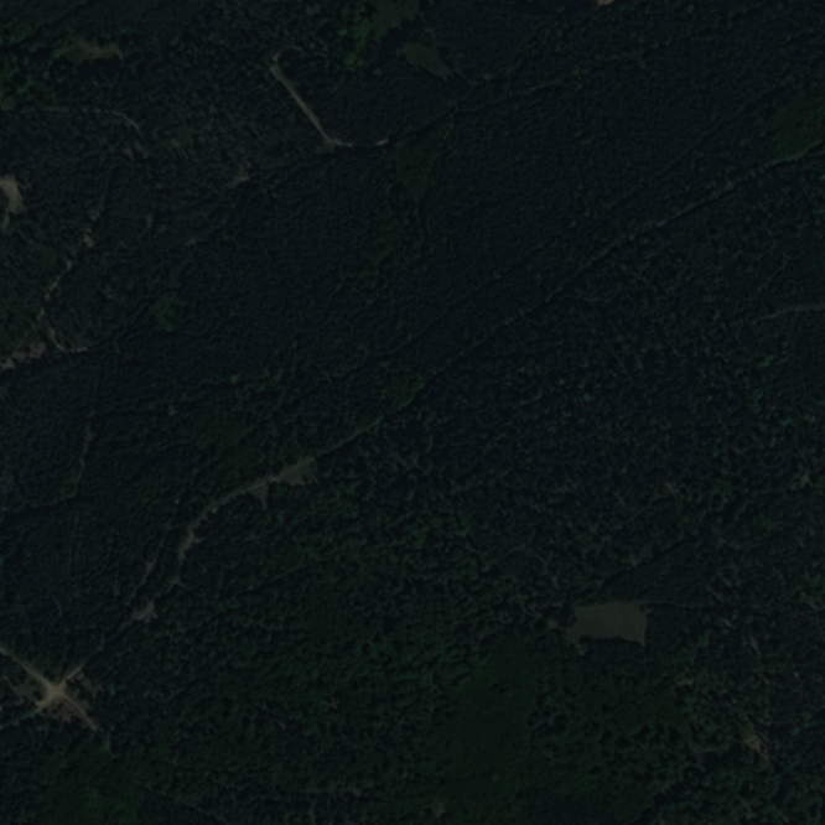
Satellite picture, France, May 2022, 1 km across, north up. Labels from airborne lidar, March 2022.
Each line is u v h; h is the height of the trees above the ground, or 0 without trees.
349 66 25
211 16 29
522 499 27
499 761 15
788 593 22
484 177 18
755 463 27
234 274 23
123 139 12
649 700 14
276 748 19
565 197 21
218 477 20
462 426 22
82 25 25
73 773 11
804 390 6
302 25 28
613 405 30
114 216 20
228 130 30
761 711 25
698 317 12
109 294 10
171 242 19
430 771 12
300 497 8
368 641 14
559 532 8
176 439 18
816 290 9
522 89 21
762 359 23
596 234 20
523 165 20
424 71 0
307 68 35
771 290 6
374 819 12
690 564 12
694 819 34
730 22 19
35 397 27
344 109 35
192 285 22
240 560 17
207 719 13
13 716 18
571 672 15
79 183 16
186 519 16
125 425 21
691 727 7
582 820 13
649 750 28
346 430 11
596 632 0
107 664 9
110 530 10
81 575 7
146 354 19
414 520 26
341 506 8
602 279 19
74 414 23
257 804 21
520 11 35
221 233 14
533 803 11
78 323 34
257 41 31
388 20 0
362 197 18
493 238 18
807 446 26
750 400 22
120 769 12
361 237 24
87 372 17
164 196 15
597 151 22
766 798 34
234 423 21
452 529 27
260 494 0
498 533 30
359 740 23
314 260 24
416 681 21
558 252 17
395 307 25
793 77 11
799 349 7
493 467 25
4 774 16
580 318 28
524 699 16
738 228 8
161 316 13
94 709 10
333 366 22
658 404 26
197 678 14
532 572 7
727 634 29
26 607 10
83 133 28
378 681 15
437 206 16
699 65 21
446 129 17
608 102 15
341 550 6
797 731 26
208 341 25
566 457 24
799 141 15
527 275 22
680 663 11
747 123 24
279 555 12
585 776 15
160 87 9
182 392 21
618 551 6
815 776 27
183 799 12
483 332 20
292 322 23
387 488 8
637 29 24
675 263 28
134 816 15
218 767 8
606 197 23
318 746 16
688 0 15
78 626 22
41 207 13
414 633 25
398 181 16
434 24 33
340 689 16
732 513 22
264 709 11
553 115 21
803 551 23
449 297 21
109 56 0
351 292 23
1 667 17
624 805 11
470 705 16
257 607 16
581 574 31
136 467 11
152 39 21
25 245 32
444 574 26
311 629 13
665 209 23
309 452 11
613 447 6
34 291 8
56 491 24
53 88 14
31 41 22
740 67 24
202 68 29
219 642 18
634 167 20
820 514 20
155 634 13
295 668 13
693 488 28
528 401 25
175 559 18
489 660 19
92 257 17
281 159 30
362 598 9
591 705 16
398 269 19
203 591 15
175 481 10
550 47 14
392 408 17
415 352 23
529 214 18
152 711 29
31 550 23
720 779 32
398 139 14
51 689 0
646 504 7
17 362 6
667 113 21
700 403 26
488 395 24
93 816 19
